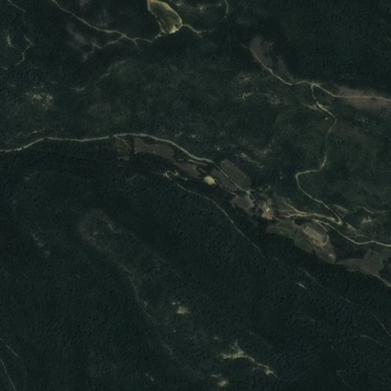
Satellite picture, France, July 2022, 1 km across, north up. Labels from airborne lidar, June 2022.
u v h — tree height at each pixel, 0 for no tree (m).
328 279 10
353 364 9
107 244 8
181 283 8
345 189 7
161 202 13
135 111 6
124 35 0
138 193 7
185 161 11
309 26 6
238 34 7
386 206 6
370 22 6
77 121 6
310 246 0
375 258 0
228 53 6
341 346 13
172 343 5
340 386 7
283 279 7
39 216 6
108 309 7
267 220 11
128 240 6
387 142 8
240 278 12
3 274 12
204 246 6
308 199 7
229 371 6
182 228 7
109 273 7
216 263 6
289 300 7
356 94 0
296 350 9
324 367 9
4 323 7
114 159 8
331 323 6
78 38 0
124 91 5
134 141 7
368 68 9
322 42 6
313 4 11
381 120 6
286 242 9
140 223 7
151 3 0
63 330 15
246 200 0
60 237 6
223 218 7
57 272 6
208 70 6
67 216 8
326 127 0
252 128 5
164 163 11
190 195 13
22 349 10
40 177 10
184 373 6
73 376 9
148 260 5
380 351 13
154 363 9
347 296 9
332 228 6
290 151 7
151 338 6
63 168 6
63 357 13
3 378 6
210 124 8
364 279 16
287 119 0
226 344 6
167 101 6
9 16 7
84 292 8
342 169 6
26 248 14
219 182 6
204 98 6
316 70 7
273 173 9
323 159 0
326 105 8
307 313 6
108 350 10
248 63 7
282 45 7
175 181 6
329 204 8
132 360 6
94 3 5
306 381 6
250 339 6
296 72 7
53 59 6
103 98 6
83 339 7
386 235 6
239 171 0
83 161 15
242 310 10
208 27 6
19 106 7
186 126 6
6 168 12
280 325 8
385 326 8
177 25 10
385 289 12
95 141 7
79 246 6
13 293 6
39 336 6
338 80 7
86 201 6
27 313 7
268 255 6
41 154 8
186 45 8
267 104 7
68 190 8
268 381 6
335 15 9
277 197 0
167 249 7
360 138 0
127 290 9
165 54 6
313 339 6
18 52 8
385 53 7
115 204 6
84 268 11
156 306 7
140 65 6
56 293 6
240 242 9
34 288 12
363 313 8
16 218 7
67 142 10
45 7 7
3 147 8
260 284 7
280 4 7
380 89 7
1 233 17
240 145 6
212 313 10
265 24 9
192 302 7
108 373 7
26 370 6
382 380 11
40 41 6
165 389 6
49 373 8
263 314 7
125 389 12
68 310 10
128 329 13
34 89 7
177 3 0
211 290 12
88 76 6
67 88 7
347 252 8
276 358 14
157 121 6
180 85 7
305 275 10
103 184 6
